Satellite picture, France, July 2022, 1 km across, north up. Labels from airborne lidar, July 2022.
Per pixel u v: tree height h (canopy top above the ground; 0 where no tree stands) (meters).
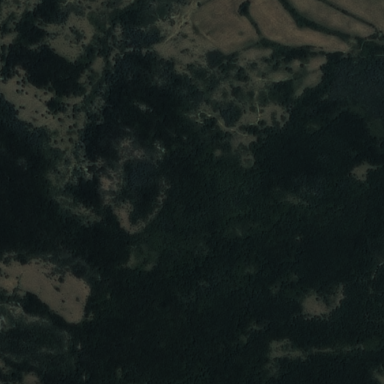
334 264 21
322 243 13
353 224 13
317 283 18
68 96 14
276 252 21
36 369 8
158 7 0
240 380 18
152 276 18
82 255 15
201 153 13
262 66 0
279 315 14
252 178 10
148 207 7
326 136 14
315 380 18
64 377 23
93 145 9
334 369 18
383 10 0
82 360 22
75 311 0
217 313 22
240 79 10
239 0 0
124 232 6
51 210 19
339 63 12
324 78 9
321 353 7
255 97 0
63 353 8
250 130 11
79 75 13
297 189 11
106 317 15
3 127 16
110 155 6
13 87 0
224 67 9
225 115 10
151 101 12
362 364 14
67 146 0
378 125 0
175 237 10
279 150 18
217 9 0
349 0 0
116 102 14
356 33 0
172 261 17
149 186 8
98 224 9
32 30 13
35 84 13
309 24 9
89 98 9
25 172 17
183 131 16
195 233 14
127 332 22
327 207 17
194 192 18
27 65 15
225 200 10
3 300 14
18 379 8
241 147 0
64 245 13
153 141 10
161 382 13
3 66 6
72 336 14
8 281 0
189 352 17
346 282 9
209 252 7
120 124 7
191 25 0
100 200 9
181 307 15
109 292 16
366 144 12
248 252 8
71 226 15
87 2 0
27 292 6
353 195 17
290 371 14
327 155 12
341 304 9
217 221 17
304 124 12
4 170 18
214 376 17
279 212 12
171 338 20
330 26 0
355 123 14
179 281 9
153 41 6
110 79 11
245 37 0
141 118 12
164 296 22
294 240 16
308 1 0
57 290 7
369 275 13
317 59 0
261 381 15
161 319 15
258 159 16
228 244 14
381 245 9
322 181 8
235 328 19
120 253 19
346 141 16
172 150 7
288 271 16
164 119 12
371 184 14
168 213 13
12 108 7
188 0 0
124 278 19
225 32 0
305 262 18
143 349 22
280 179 10
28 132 7
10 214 12
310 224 9
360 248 14
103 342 12
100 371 19
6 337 9
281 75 0
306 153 16
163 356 21
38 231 17
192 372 12
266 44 9
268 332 17
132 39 6
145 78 6
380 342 6
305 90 9
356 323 11
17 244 12
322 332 12
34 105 0
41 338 11
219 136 12
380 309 10
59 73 18
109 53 7
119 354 23
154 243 8
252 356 17
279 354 0
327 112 10
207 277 13
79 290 0
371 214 11
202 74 5
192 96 9
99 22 0
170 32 0
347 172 13
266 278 16
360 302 16
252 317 15
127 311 21
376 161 15
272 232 9
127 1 0
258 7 0
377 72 10
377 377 0
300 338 17
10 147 17
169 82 7
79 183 7
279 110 0
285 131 11
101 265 18
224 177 9
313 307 0
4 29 13
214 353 8
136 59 11
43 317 6
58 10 8
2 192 14
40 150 11
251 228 7
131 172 13
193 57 0
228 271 14
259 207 13
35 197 21
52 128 0
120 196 7
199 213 18
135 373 17
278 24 0
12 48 17
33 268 0
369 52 6
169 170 14
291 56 10
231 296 12
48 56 16
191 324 18
